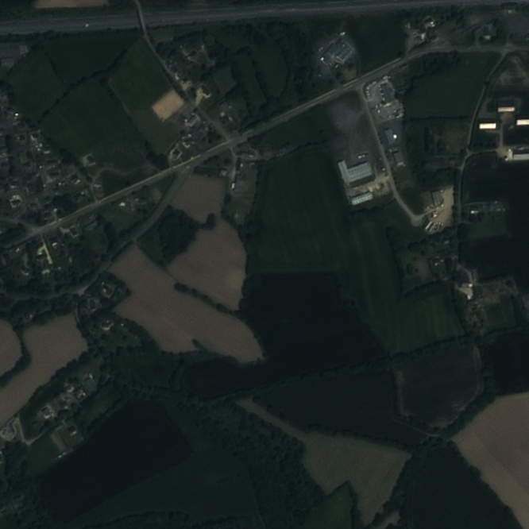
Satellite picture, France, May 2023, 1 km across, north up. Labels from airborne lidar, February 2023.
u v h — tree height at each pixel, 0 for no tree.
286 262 0
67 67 0
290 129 0
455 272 11
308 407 0
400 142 0
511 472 0
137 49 0
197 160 0
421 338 0
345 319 0
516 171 0
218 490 0
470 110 0
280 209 0
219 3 0
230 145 0
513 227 0
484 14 0
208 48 10
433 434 10
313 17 0
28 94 0
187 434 0
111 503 0
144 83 0
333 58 0
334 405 0
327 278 0
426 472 0
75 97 0
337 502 0
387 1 0
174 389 16
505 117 0
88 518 0
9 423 0
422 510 0
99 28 0
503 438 0
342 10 0
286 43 29
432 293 0
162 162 12
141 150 0
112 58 0
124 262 0
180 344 0
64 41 0
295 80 14
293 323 0
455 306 13
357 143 0
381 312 0
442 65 12
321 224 0
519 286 0
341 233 0
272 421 0
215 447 0
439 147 11
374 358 0
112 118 0
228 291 0
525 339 0
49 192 0
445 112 0
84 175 9
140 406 0
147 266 0
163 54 9
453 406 0
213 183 0
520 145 0
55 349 0
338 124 0
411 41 0
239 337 0
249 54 9
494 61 0
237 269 0
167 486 0
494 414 0
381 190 0
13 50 0
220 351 0
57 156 0
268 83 0
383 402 0
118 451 0
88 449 0
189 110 0
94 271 6
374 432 0
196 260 0
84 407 13
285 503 33
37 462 0
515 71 0
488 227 0
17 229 8
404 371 0
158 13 0
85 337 22
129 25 0
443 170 6
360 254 0
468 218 10
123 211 0
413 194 0
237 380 0
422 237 0
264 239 0
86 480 0
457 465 0
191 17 0
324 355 0
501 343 0
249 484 0
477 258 0
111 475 0
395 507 16
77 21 0
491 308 0
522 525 0
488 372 20
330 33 0
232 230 0
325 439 0
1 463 0
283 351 0
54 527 11
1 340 0
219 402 14
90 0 0
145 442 0
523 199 0
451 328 0
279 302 0
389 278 0
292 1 7
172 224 10
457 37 0
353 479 0
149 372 0
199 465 0
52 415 0
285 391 0
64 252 7
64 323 0
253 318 0
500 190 0
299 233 0
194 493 0
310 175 0
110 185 0
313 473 0
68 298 6
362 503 0
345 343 0
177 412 0
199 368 0
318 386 0
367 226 0
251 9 0
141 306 0
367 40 0
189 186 0
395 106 0
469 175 0
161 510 0
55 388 0
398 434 0
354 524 13
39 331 0
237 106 0
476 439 0
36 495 10
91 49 0
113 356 16
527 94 0
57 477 0
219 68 14
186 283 0
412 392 0
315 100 0
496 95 0
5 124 0
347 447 0
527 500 0
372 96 0
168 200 0
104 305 17
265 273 0
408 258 0
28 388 0
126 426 0
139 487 0
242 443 25
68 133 0
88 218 0
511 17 0
